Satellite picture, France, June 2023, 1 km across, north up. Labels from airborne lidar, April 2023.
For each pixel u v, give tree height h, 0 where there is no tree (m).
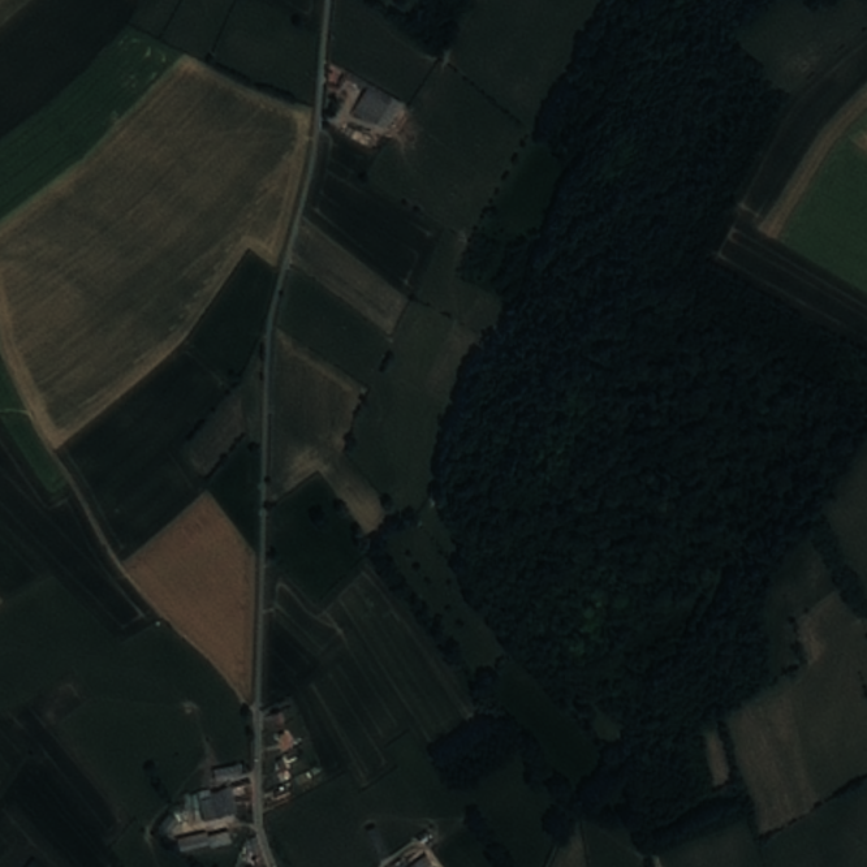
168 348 0
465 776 30
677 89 25
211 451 0
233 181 0
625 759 31
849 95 0
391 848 0
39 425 0
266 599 0
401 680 0
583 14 0
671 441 29
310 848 0
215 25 0
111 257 0
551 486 22
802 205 0
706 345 24
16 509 0
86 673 0
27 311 0
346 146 0
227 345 0
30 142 0
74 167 0
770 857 0
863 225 0
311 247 0
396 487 0
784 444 29
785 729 0
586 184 22
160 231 0
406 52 0
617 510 22
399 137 0
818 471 24
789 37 0
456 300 0
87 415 0
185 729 0
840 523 0
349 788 0
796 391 25
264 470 0
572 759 0
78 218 0
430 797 0
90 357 0
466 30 0
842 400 16
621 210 28
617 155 24
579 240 25
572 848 0
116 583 0
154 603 0
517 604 19
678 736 20
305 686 0
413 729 0
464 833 0
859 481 0
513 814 0
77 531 0
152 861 0
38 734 0
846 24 0
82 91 0
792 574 0
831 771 0
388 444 0
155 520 0
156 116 0
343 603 0
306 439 0
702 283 10
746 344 16
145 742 0
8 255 0
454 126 0
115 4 0
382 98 0
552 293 29
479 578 21
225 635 0
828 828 0
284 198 0
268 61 0
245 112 0
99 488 0
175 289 0
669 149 22
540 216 0
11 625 0
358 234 0
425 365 0
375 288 0
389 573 25
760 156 0
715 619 27
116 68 0
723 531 28
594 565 20
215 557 0
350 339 0
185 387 0
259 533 0
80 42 0
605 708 22
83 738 0
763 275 0
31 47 0
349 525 0
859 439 12
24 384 0
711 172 22
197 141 0
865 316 0
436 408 0
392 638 0
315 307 0
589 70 22
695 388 31
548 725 0
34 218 0
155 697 0
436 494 25
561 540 24
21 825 0
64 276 0
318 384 0
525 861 0
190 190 0
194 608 0
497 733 27
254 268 0
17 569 0
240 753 0
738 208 0
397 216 0
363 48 0
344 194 0
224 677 0
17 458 0
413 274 0
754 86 19
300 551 0
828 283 0
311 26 0
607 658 27
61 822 0
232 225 0
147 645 0
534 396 26
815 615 0
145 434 0
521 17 0
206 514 0
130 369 0
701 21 21
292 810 0
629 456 27
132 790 0
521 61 0
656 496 26
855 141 0
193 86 0
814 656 0
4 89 0
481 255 8
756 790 0
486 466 27
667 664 24
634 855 0
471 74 0
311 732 0
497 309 0
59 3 0
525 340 26
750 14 20
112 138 0
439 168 0
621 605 24
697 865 0
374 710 0
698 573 28
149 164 0
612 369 23
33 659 0
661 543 26
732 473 20
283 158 0
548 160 0
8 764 0
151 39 0
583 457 27
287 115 0
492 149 0
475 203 0
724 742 18
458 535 22
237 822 0
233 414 0
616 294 26
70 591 0
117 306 0
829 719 0
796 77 0
